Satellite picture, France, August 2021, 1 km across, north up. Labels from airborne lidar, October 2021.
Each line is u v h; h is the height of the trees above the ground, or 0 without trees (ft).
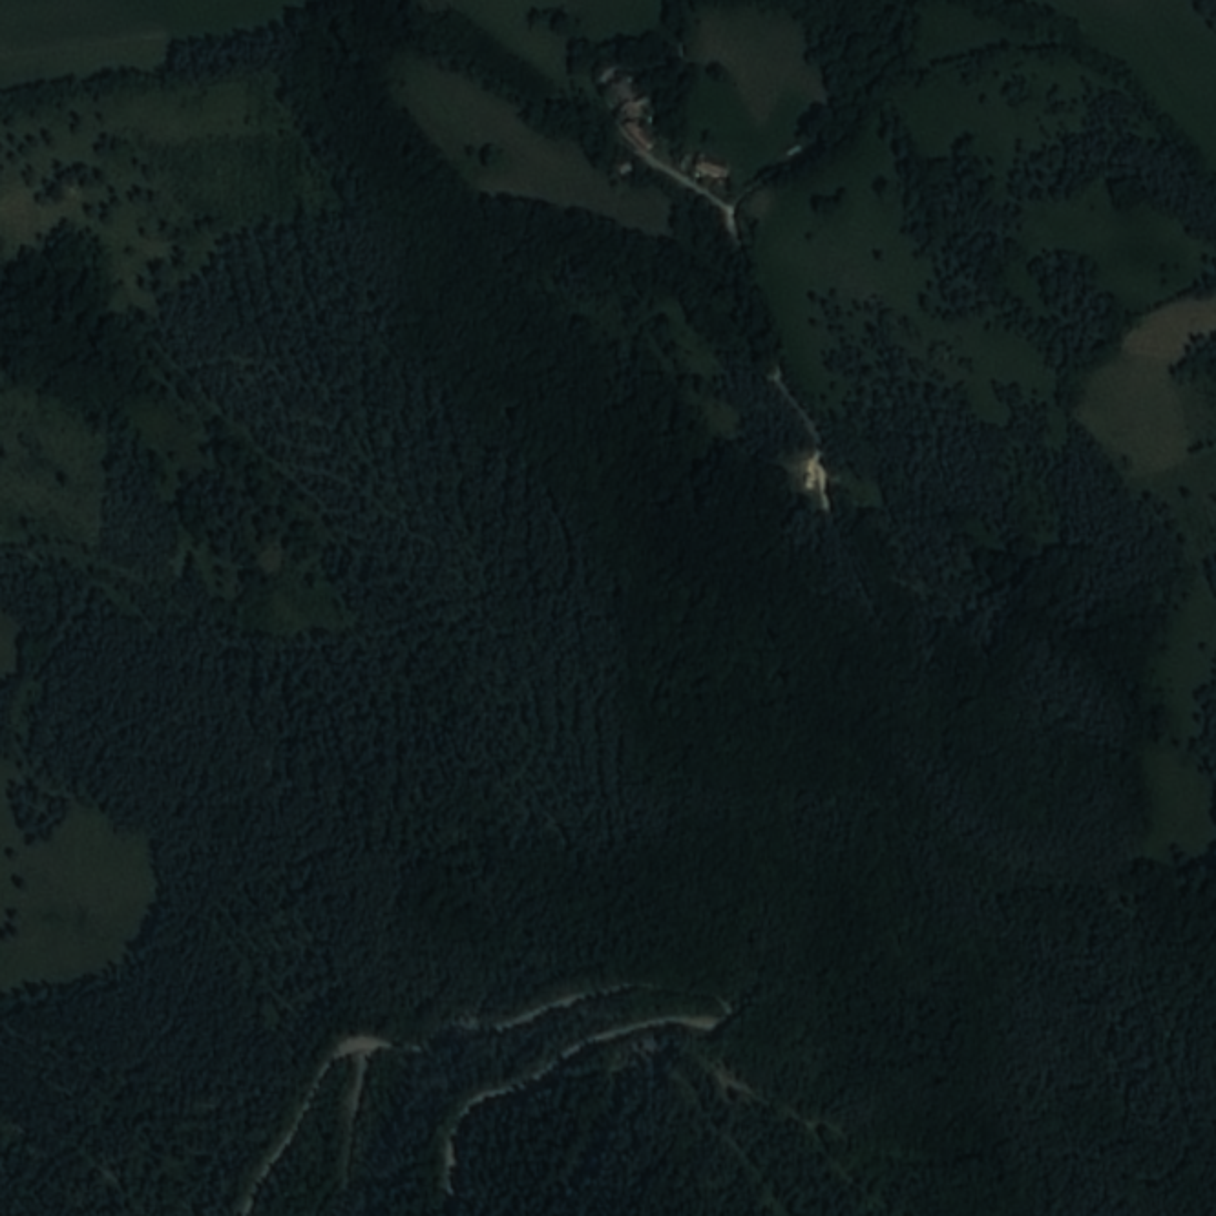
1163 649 36
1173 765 0
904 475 27
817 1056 65
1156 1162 60
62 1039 33
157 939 62
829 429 44
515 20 0
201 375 42
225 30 0
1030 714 55
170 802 54
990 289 37
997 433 36
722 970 56
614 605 64
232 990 59
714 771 83
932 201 32
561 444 82
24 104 36
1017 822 52
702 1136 33
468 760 60
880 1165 59
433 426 29
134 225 0
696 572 110
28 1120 51
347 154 58
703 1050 27
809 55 31
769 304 36
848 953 97
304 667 71
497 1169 52
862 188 0
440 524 54
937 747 44
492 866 57
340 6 94
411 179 77
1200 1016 38
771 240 0
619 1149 76
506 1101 34
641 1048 20
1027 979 33
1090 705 38
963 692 67
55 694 35
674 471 82
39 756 32
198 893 55
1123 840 54
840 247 0
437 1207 31
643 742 50
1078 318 54
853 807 63
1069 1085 45
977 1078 63
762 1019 64
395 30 60
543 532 51
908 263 0
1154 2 0
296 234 55
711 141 28
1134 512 45
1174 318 0
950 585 33
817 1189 77
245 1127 32
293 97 59
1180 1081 36
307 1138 28
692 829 91
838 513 37
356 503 42
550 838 61
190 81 43
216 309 34
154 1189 48
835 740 88
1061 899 28
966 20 0
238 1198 33
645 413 32
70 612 50
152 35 0
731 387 31
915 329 19
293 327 55
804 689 90
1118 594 60
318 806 59
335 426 47
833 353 24
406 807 55
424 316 73
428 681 43
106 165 0
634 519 79
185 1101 43
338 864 72
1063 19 62
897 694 54
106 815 40
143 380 42
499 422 61
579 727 49
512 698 52
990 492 28
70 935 0
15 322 69
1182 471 0
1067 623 45
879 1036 60
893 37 20
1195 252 0
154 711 44
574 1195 64
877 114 36
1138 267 0
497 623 47
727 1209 63
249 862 55
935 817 62
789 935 56
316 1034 75
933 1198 63
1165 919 53
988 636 48
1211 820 0
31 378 59
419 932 61
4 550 23
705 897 82
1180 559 42
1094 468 34
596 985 48
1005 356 0
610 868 64
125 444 45
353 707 49
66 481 49
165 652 52
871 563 52
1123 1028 39
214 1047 48
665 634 92
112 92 38
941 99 0
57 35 0
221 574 42
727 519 99
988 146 0
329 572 33
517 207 86
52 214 0
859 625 69
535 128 42
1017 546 51
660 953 64
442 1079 24
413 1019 25
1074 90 0
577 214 58
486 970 42
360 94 86
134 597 32
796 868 74
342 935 64
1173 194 54
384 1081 33
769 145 0
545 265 68
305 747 71
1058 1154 61
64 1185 55
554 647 55
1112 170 36
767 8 51
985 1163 86
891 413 27
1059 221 0
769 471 65
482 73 48
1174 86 0
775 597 99
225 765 56
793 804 60
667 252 76
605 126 29
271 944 46
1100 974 55
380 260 65
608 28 0
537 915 49
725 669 96
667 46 38
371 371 67
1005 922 52
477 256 100
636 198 0
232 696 71
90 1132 53
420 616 60
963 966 69
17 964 0
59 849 0
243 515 52
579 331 77
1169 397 0
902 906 53
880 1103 60
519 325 92
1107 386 0
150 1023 55
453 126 0
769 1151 79
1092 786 72
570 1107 82
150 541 29
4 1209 47
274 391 40
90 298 46
